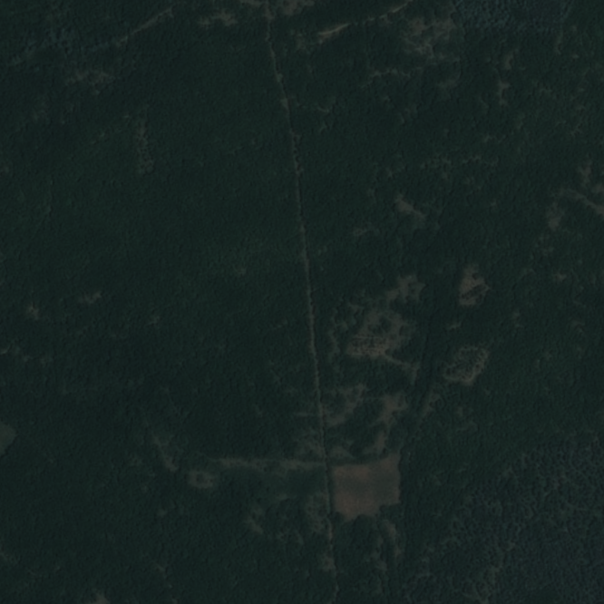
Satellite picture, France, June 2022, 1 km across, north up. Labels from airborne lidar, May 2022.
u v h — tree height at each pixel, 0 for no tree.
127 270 12
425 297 12
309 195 10
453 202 11
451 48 8
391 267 11
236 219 13
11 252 10
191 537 9
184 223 13
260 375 10
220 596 10
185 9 6
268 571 10
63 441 10
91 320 11
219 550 12
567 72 10
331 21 8
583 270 8
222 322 10
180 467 6
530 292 8
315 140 10
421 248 14
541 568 13
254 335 10
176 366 9
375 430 8
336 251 9
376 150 11
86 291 10
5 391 12
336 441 6
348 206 13
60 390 8
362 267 7
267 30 8
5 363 16
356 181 12
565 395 9
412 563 10
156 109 11
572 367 8
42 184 10
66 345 11
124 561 12
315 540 7
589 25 10
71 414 13
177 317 7
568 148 8
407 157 11
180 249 10
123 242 10
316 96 10
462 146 9
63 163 14
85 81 6
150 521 10
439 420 9
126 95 12
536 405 9
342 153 12
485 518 14
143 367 10
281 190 9
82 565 11
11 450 15
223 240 12
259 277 10
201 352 7
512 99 8
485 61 9
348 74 13
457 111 12
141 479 11
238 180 12
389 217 8
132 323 9
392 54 11
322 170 11
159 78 12
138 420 8
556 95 6
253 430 13
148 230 12
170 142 10
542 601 15
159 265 13
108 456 12
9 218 10
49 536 10
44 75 13
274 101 11
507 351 11
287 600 11
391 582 9
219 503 8
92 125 11
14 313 14
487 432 9
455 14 9
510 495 10
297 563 8
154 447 6
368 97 10
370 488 0
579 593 15
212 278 8
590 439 10
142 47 8
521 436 9
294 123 13
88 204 11
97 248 14
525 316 9
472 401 10
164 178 9
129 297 14
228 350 9
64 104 8
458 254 12
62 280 10
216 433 9
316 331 9
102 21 9
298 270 11
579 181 10
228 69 9
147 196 11
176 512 14
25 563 11
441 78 10
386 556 8
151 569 9
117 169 11
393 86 7
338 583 9
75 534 11
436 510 11
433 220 9
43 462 11
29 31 11
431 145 13
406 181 11
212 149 9
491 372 8
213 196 10
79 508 10
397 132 12
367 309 7
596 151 10
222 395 9
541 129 8
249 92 11
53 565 7
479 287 7
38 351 12
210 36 9
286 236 7
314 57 10
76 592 9
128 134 11
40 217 13
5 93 10
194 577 8
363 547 13
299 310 10
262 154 11
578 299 8
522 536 15
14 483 11
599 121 11
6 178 9
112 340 10
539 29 19
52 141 13
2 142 7
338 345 6
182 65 11
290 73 8
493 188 10
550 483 16
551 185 7
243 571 10
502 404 9
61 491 10
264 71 9
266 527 8
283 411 10
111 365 15
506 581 8
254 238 7
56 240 11
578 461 15
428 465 8
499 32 13
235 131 10
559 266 8
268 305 7
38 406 11
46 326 11
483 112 10
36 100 9
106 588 9
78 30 7
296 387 7
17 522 10
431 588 10
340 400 7
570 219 8
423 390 11
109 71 8
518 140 8
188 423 9
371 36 13
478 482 7
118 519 9
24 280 11
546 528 14
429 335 11
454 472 9
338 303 11
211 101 10
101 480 12
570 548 14
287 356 8
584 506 16
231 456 8
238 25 7
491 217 10
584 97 10
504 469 7
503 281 8
